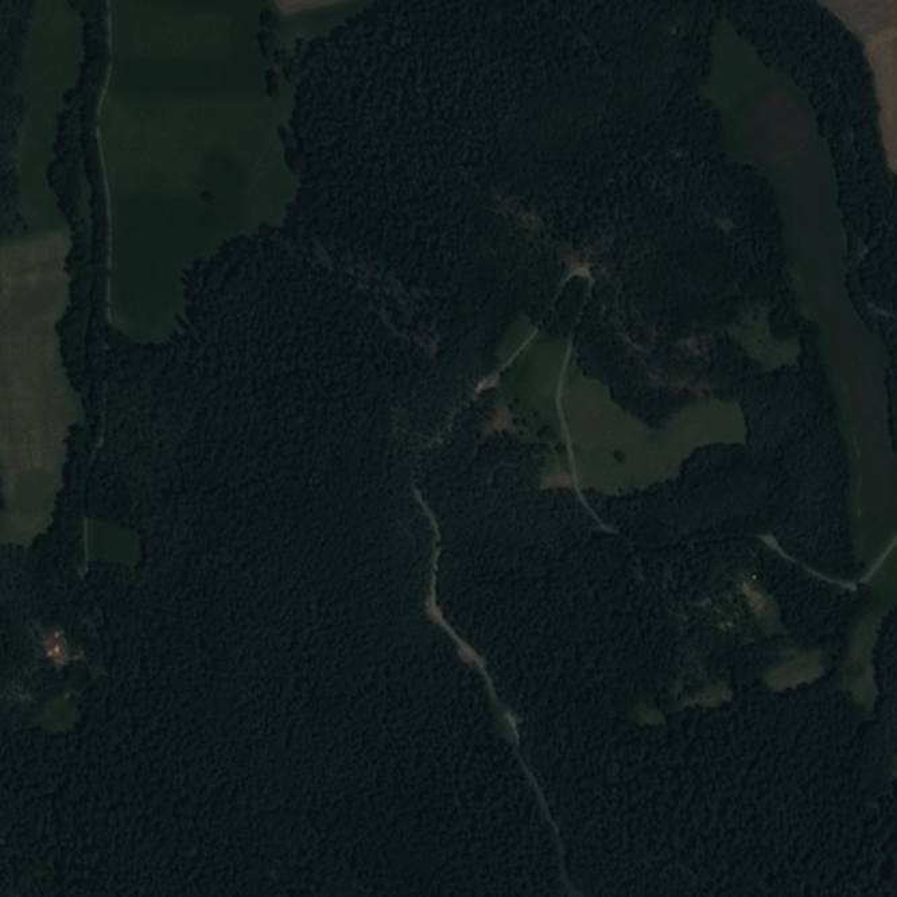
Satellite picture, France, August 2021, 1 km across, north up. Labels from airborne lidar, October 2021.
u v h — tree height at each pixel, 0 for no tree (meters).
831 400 13
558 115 14
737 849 11
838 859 27
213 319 29
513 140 20
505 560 15
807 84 15
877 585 0
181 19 0
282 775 20
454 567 15
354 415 22
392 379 18
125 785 26
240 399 21
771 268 17
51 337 0
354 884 26
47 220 0
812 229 0
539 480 8
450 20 33
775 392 17
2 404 0
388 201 24
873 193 13
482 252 7
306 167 15
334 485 14
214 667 20
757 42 18
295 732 22
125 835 22
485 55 28
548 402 0
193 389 24
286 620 17
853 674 0
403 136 26
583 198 33
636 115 16
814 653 0
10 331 0
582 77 20
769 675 0
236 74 0
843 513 13
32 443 0
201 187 0
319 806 25
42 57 0
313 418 19
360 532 15
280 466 17
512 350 0
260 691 21
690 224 18
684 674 16
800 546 15
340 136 20
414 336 28
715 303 10
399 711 22
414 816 18
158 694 24
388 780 22
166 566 16
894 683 15
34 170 0
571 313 8
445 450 14
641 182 26
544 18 14
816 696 24
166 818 29
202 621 26
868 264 11
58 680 18
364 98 29
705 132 26
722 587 10
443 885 24
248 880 24
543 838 19
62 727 0
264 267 28
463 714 12
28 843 22
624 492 9
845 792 20
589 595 27
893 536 0
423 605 9
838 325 0
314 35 0
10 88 12
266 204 0
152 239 0
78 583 16
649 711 0
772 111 0
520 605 25
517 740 0
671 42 13
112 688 19
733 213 21
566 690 14
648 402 14
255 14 0
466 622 26
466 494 17
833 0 0
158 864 19
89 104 20
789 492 16
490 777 24
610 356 16
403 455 15
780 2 12
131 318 0
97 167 13
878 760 12
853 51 23
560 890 17
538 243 6
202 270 17
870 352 0
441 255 28
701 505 15
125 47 0
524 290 11
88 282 22
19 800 24
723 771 21
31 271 0
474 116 34
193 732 18
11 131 10
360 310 34
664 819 22
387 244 32
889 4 0
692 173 27
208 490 19
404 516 16
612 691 27
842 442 16
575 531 21
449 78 28
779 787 24
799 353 0
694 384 9
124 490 17
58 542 16
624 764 16
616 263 15
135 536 0
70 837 26
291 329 22
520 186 26
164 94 0
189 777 24
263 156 0
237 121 0
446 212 23
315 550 16
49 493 0
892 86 0
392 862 26
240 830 21
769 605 0
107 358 16
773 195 15
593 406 0
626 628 19
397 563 16
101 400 17
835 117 13
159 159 0
